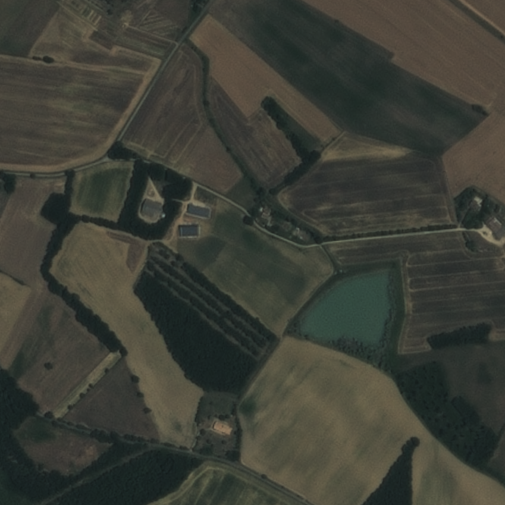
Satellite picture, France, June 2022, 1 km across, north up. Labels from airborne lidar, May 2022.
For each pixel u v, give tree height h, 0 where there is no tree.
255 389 0
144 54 0
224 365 17
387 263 0
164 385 0
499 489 0
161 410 0
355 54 0
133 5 0
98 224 11
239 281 0
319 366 0
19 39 0
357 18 0
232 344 17
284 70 0
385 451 0
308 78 0
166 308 15
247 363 15
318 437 0
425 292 0
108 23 0
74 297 15
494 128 0
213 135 0
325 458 0
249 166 0
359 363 0
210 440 8
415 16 0
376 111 0
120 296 0
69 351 0
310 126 0
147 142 0
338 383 0
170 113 0
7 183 11
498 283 0
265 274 0
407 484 13
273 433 0
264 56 0
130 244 0
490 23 0
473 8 0
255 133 0
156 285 17
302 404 0
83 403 0
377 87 0
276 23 0
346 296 0
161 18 0
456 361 0
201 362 17
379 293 0
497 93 0
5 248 0
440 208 0
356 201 0
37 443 0
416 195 0
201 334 17
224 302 15
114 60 0
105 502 18
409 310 0
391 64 0
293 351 0
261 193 22
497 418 0
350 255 0
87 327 13
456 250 0
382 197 0
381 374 0
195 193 0
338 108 0
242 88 0
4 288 0
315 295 0
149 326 0
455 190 0
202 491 0
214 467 0
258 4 0
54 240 15
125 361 0
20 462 13
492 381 0
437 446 0
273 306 0
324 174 0
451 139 0
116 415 0
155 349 0
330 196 0
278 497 0
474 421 17
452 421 0
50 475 8
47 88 0
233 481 0
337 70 0
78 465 0
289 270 0
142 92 0
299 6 0
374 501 15
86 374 0
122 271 0
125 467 14
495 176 0
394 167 0
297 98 0
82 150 0
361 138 0
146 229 17
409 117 0
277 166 0
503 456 0
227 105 0
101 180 0
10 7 0
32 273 0
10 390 18
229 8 0
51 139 0
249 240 0
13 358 0
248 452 0
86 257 0
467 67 0
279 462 0
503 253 0
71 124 0
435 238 0
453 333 9
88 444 0
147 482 18
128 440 13
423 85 0
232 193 0
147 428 0
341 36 0
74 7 0
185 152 0
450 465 0
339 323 0
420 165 0
